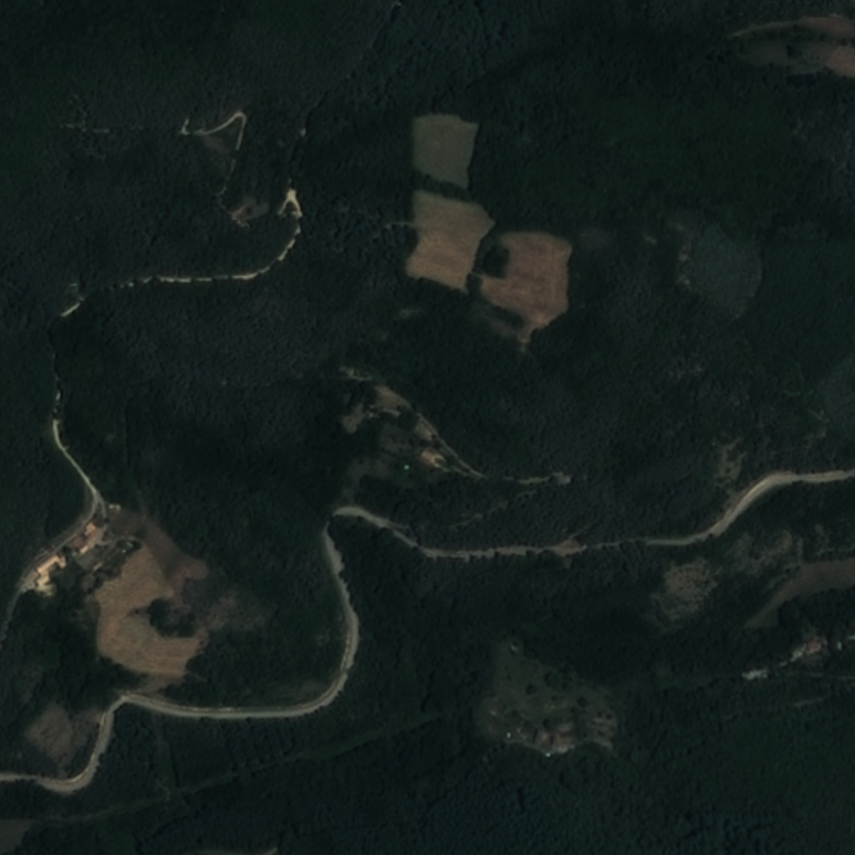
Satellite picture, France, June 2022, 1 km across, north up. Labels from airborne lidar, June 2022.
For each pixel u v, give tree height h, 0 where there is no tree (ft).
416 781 57
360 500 30
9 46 39
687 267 29
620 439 59
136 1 26
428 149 0
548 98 50
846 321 58
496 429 24
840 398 30
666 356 52
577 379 65
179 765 51
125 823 66
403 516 57
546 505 67
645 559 62
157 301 49
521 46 111
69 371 56
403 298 26
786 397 44
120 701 0
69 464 46
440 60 97
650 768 49
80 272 41
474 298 31
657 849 62
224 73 60
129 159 48
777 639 81
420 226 0
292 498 86
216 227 49
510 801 100
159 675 0
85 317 44
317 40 50
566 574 53
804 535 43
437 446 21
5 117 31
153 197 49
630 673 23
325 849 56
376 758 69
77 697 35
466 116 56
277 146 55
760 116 48
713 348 27
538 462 52
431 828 96
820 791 44
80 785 0
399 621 47
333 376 35
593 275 22
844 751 43
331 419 54
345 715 50
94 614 0
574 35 68
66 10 34
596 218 33
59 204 52
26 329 37
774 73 54
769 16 47
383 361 34
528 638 46
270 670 32
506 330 0
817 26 0
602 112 46
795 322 59
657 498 41
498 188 41
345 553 57
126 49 40
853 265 70
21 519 34
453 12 118
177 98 40
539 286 0
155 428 38
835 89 65
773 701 53
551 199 39
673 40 85
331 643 27
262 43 50
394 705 72
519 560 55
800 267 68
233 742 73
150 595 0
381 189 40
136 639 0
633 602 62
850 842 42
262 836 86
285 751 76
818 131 34
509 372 34
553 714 0
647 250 24
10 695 26
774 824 54
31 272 54
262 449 39
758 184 50
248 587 20
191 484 61
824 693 35
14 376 61
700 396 50
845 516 35
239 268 33
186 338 41
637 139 37
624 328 68
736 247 35
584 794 65
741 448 30
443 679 88
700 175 33
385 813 73
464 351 24
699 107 46
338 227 59
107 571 27
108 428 33
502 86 67
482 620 65
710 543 45
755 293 22
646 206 52
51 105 37
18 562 40
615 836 65
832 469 40
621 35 82
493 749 29
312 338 44
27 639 24
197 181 19
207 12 29
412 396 22
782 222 63
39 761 32
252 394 42
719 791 55
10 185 31
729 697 24
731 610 48
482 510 41
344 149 48
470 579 49
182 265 34
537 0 83
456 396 43
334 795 76
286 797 85
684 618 26
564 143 41
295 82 48
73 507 55
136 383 46
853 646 28
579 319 37
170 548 0
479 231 0
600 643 37
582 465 33
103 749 0
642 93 51
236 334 35
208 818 73
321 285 36
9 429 55
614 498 48
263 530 68
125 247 44
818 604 65
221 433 43
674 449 53
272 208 28
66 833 42
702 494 66
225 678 45
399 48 108
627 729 24
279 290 41
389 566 63
